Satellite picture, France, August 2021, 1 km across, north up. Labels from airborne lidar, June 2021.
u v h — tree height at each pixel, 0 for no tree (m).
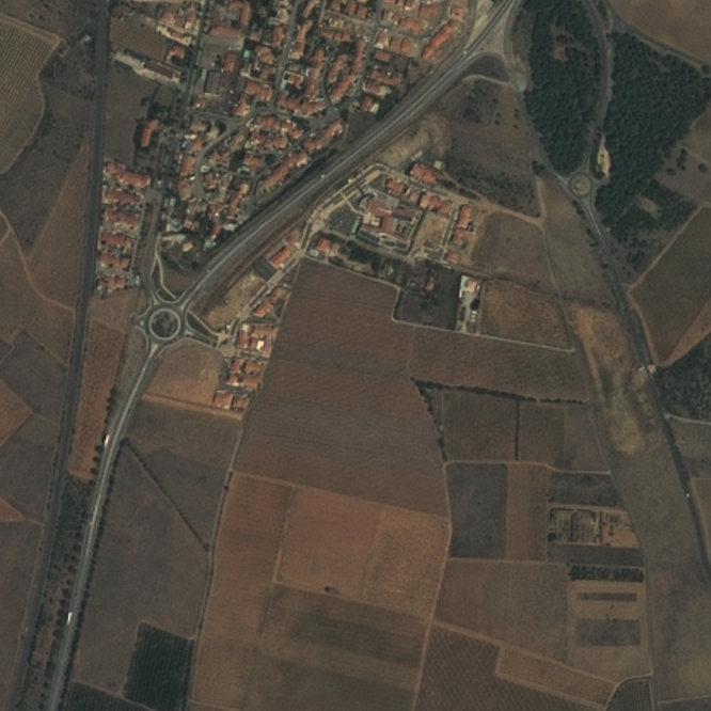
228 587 0
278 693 0
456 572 0
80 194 0
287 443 0
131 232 0
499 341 0
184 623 0
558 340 0
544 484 0
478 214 0
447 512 0
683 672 0
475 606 0
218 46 0
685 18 0
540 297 0
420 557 0
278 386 0
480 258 0
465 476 0
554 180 0
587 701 0
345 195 0
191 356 0
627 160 15
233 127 0
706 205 0
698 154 0
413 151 0
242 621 0
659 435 0
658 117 13
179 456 0
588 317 0
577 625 0
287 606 0
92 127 0
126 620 0
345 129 0
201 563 0
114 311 0
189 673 7
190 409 0
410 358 0
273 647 0
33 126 0
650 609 0
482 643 0
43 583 0
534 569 0
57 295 0
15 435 0
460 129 0
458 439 0
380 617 0
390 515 0
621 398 0
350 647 0
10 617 0
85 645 0
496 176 0
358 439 0
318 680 0
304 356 0
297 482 0
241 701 0
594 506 0
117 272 0
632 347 0
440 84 0
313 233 0
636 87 12
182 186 0
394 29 0
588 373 0
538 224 0
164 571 0
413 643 0
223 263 0
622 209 12
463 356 0
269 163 9
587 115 14
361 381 0
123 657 0
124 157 0
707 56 0
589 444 0
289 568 0
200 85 0
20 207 0
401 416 0
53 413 0
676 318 0
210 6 6
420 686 0
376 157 0
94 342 0
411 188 0
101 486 0
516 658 0
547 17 10
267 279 0
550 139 11
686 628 0
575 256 0
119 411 0
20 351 0
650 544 0
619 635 0
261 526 0
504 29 0
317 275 0
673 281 0
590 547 0
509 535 0
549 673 0
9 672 0
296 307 0
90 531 0
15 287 0
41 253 0
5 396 0
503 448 0
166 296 0
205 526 0
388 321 0
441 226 0
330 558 0
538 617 0
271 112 0
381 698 0
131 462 0
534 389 0
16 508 0
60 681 0
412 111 0
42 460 0
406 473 0
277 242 0
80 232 0
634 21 0
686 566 0
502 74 0
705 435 0
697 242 0
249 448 0
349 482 0
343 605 0
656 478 0
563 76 15
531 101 13
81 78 0
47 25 0
